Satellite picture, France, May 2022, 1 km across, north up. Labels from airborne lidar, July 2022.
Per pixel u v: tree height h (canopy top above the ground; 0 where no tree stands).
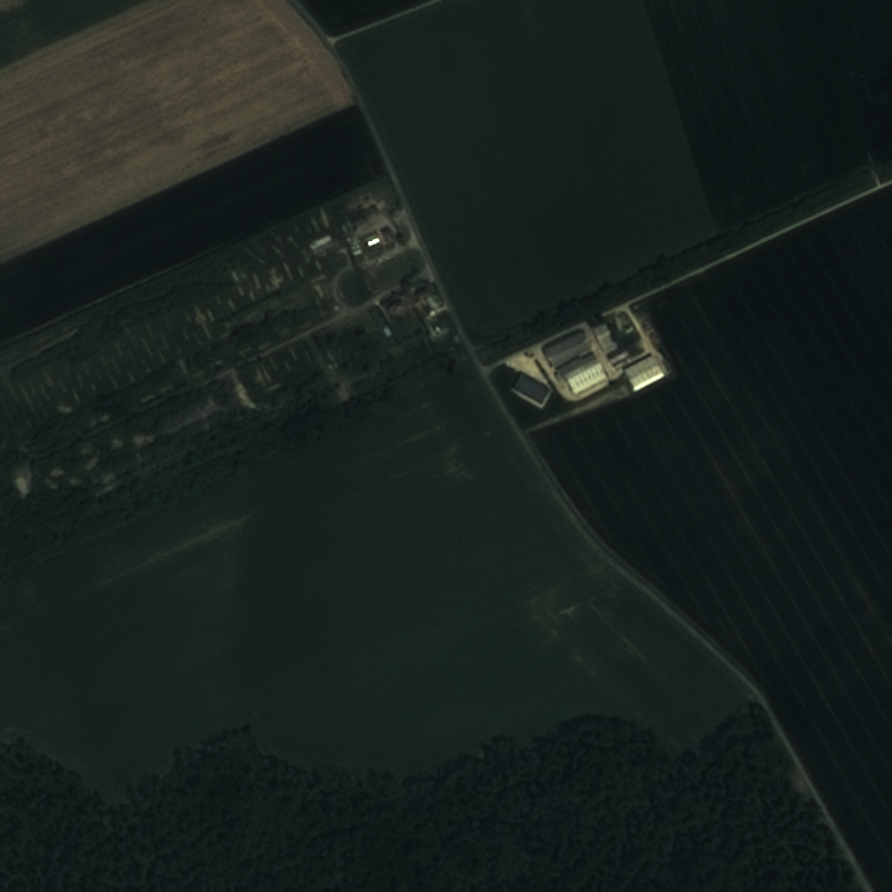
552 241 0
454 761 0
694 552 0
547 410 0
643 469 0
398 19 0
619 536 0
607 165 0
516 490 0
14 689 0
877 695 0
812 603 0
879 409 0
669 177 0
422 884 23
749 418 0
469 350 0
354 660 0
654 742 23
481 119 0
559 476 0
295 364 0
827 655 0
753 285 0
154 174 0
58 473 0
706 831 18
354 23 0
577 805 12
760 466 0
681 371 0
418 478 0
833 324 0
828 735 0
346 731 0
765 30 0
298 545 0
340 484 0
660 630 0
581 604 0
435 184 0
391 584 0
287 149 0
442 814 25
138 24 0
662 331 0
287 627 0
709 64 0
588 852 29
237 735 15
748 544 0
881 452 0
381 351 0
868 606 0
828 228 0
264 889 29
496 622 0
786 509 0
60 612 0
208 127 0
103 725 0
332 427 9
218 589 0
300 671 0
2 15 0
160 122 0
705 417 0
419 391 0
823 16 0
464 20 0
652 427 0
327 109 0
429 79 0
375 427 0
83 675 0
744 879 20
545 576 0
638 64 0
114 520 5
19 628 0
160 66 0
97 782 0
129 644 0
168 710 0
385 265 0
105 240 0
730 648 0
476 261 0
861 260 0
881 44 0
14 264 0
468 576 0
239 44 0
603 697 0
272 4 0
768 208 0
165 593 0
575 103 0
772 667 0
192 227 0
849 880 21
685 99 0
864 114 0
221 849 14
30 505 6
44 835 7
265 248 0
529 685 0
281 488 0
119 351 0
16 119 0
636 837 28
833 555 0
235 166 0
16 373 7
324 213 0
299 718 0
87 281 0
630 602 0
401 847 12
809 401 0
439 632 0
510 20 0
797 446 0
